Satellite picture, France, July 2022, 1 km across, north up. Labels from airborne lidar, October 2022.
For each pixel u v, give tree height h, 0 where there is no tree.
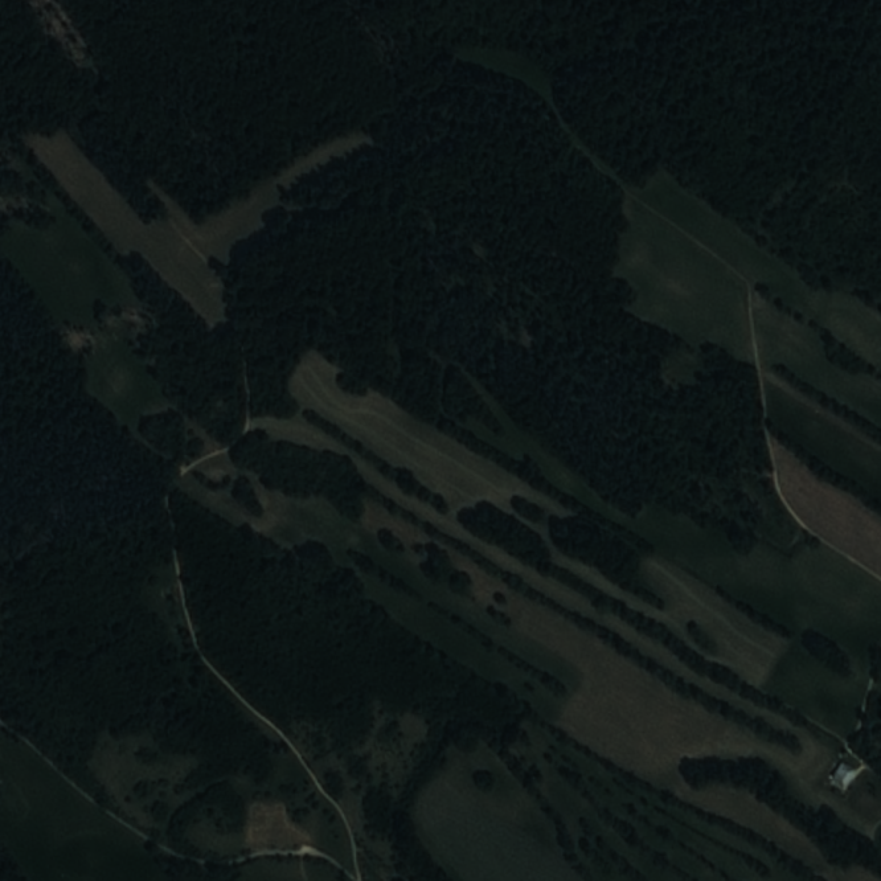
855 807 0
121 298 0
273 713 7
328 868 6
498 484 0
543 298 23
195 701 7
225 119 19
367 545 0
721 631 0
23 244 0
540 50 15
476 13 18
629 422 17
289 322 19
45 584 14
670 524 0
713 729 0
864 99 7
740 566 0
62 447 21
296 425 0
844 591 0
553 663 0
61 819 0
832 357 12
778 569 0
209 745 8
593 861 15
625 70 17
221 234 0
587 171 22
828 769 0
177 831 7
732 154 6
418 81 25
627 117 7
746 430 14
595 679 0
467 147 23
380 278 27
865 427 11
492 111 12
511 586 13
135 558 7
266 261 22
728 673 15
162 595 0
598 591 6
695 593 0
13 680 8
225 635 8
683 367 0
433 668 6
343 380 11
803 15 17
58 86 24
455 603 0
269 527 0
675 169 17
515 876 0
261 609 6
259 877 0
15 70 22
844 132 17
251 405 11
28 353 14
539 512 14
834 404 10
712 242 0
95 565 8
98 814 0
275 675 6
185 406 6
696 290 0
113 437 23
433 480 0
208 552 6
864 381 0
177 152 12
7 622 9
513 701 16
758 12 25
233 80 23
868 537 0
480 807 0
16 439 12
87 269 0
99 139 14
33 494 24
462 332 22
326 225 21
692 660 20
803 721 16
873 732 9
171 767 0
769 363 0
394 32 25
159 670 8
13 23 19
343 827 0
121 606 6
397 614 0
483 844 0
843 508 0
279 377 13
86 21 24
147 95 26
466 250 22
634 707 0
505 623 11
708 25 18
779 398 0
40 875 0
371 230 22
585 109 15
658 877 0
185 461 9
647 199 0
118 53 22
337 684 8
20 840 0
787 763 0
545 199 24
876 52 10
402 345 11
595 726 0
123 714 7
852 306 0
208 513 7
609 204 24
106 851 0
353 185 16
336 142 0
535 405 18
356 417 0
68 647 7
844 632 0
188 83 17
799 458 12
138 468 20
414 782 6
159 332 15
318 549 21
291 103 19
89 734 8
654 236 0
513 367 23
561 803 0
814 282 15
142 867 0
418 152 17
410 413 9
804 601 0
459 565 0
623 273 0
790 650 0
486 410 17
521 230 20
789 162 6
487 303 13
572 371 14
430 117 24
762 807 0
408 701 6
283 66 17
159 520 20
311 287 21
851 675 18
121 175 21
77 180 0
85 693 6
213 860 6
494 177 23
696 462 9
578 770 6
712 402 10
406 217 16
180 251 0
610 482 20
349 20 25
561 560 0
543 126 22
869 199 8
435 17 15
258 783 7
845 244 8
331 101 15
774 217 9
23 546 17
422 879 6
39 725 14
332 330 19
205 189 16
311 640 8
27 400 19
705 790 0
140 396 0
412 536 0
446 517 0
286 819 0
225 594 8
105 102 23
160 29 22
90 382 0
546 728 8
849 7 20
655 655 0
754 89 17
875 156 8
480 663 0
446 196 16
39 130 10
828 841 21
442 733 6
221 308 0
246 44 23
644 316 0
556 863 0
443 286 21
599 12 19
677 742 0
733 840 0
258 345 10
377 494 10
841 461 0
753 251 0
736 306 0
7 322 26
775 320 0
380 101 27
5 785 0
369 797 7
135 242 0
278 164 17
